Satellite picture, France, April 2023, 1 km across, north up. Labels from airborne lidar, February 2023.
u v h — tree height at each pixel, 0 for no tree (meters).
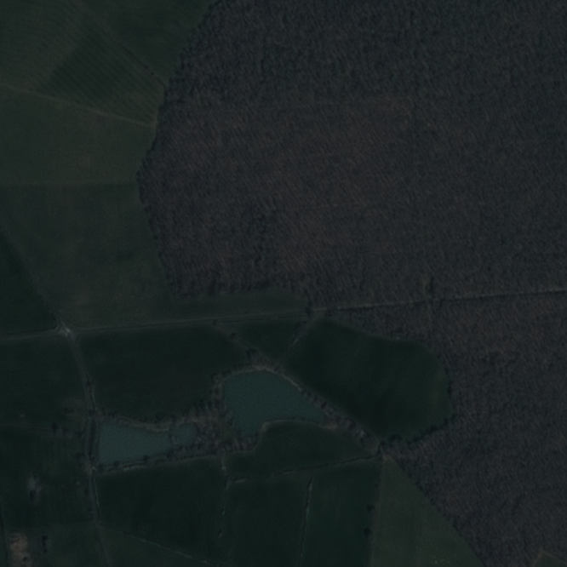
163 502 0
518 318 22
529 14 19
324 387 0
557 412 21
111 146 0
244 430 0
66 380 0
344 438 0
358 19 22
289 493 0
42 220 0
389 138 21
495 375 15
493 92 15
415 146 17
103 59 0
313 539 0
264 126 23
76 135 0
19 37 0
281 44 26
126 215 0
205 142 21
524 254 20
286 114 22
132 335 0
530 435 23
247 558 0
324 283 20
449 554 0
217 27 19
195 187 22
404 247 19
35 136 0
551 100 23
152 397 0
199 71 13
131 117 0
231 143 22
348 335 0
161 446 0
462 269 22
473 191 22
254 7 21
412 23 19
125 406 0
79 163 0
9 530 0
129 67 0
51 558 0
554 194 21
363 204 21
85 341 0
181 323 0
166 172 20
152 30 0
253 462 0
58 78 0
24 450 0
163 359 0
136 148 0
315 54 24
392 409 0
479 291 18
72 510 0
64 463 0
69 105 0
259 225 23
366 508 0
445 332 20
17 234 0
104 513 0
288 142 18
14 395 0
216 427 6
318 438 0
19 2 0
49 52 0
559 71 20
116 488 0
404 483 0
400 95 23
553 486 21
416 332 17
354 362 0
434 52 24
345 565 0
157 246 10
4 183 0
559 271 21
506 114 23
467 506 19
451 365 15
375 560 0
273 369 13
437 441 22
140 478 0
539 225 20
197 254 21
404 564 0
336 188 20
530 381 17
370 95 22
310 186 22
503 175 20
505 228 16
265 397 0
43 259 0
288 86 23
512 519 21
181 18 0
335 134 20
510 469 21
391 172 22
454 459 20
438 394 0
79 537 0
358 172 20
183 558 0
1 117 0
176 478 0
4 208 0
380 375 0
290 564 0
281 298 0
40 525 0
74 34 0
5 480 0
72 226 0
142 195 12
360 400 0
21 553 0
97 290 0
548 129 22
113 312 0
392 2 24
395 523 0
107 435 0
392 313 21
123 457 0
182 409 0
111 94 0
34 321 0
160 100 0
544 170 22
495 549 22
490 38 25
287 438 0
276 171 18
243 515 0
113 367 0
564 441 24
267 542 0
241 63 25
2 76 0
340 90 20
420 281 20
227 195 21
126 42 0
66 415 0
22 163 0
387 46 22
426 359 0
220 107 11
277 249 21
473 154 20
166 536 0
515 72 23
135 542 0
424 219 17
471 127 22
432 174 23
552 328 19
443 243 18
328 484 0
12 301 0
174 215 18
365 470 0
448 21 25
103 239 0
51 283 0
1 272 0
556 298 19
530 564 17
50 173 0
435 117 22
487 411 18
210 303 0
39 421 0
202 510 0
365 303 21
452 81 25
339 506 0
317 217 20
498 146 20
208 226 19
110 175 0
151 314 0
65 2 0
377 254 22
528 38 22
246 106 20
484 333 17
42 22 0
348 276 23
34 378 0
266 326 0
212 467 0
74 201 0
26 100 0
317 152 17
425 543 0
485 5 24
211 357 0
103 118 0
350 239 20
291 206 22
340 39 23
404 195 21
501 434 22
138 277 0
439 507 14
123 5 0
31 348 0
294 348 0
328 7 23
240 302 0
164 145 15
